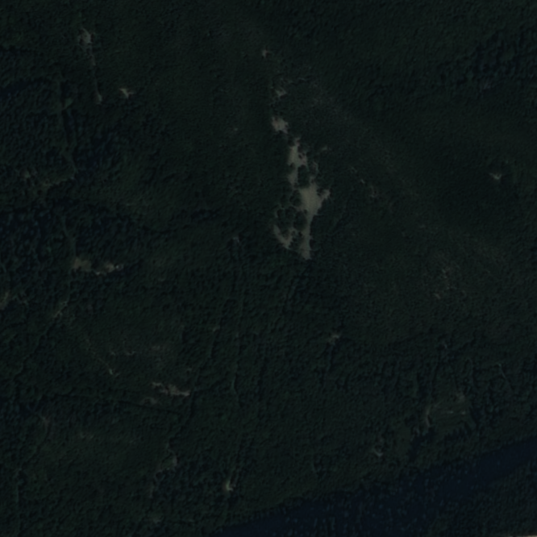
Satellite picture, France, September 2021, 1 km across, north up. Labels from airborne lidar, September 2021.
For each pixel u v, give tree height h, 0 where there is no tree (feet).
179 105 66
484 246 60
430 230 55
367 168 57
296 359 76
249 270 63
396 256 71
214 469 89
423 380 64
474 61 34
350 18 94
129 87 68
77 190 82
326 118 44
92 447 47
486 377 83
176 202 59
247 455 70
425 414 75
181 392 34
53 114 34
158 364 27
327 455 77
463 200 86
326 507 88
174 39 52
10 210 63
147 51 75
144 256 46
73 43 110
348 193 65
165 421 71
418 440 21
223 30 52
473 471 71
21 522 40
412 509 68
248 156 65
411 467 22
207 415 72
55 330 70
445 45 64
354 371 74
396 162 56
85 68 71
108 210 78
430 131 56
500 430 75
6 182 101
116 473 73
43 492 82
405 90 73
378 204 66
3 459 52
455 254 65
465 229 69
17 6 56
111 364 59
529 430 76
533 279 51
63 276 34
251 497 77
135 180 49
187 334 38
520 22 87
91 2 74
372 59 76
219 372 83
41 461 87
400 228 63
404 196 58
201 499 109
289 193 56
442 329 77
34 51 32
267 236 81
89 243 110
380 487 70
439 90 88
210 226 74
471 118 45
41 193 55
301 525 99
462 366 90
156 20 75
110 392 70
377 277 59
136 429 67
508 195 85
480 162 72
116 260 92
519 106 81
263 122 77
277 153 56
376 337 72
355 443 90
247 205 58
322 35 102
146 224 58
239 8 72
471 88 99
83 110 77
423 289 51
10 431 79
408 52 62
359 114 72
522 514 73
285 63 59
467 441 83
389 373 57
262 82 64
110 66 82
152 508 52
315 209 0
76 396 25
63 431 43
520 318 79
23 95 116
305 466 66
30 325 89
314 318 68
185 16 71
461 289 64
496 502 61
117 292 94
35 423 66
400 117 72
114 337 64
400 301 49
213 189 97
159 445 78
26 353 58
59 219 18
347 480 72
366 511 88
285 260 65
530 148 43
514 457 70
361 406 57
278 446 56
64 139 55
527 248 41
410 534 70
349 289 50
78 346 92
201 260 49
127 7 68
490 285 66
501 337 61
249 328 47
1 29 96
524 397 84
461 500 58
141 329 66
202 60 79
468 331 73
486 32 70
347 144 52
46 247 72
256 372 43
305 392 58
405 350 72
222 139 57
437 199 70
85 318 75
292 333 68
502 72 93
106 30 63
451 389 65
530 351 55
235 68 62
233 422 60
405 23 67
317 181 45
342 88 91
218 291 90
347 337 84
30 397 72
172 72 68
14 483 22
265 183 65
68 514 49
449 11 68
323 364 70
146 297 76
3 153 85
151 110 70
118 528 56
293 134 56
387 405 69
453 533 76
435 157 76
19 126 124
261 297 83
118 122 29
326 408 70
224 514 84
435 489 68
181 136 82
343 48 74
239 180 59
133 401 65
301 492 68
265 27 65
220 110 72
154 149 70
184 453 74
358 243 46
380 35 76
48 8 78
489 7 69
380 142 51
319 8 107
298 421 67
